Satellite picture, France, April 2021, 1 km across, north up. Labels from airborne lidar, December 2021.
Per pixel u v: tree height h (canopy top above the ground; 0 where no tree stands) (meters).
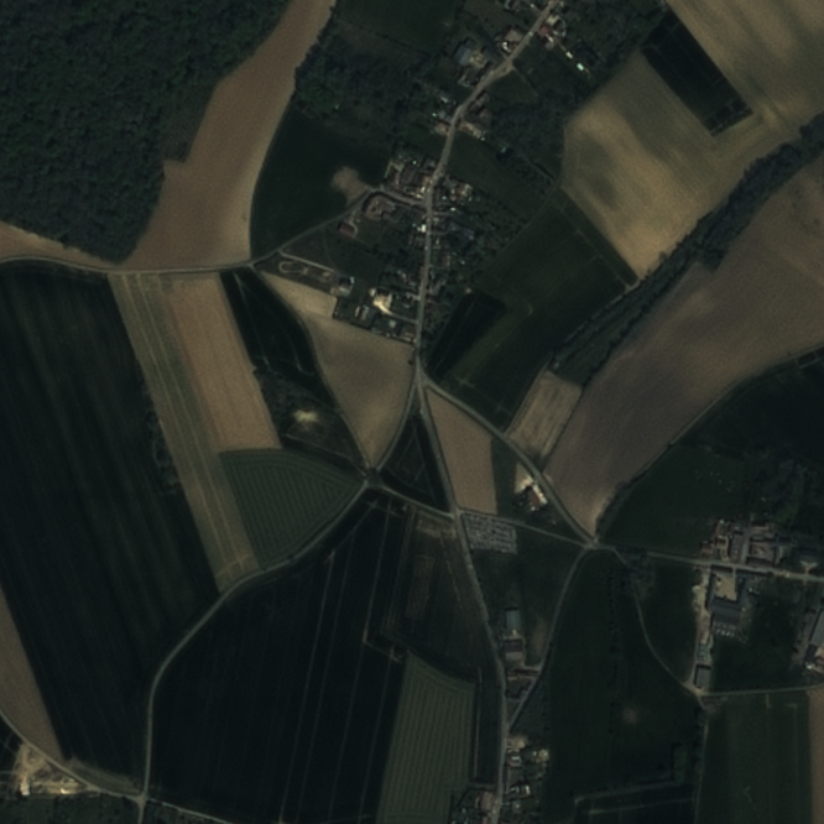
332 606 0
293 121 0
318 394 0
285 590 0
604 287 0
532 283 0
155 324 0
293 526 0
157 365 0
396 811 0
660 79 0
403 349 0
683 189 0
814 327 0
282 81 0
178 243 0
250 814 0
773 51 0
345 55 6
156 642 0
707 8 0
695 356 0
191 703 0
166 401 0
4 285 0
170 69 23
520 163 11
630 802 0
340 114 9
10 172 16
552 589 0
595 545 0
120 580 0
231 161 0
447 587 0
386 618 0
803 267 0
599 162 0
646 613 0
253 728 0
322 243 0
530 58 0
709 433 0
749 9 0
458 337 0
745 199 18
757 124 0
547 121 18
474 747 0
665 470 0
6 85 15
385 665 0
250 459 0
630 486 6
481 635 0
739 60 0
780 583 9
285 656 0
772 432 0
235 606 0
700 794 0
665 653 0
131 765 0
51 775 0
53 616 0
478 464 0
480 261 12
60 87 24
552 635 0
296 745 0
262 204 0
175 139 7
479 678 0
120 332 0
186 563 0
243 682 0
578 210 0
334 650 0
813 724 0
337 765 0
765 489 18
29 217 13
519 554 0
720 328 0
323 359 0
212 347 0
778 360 0
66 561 0
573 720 0
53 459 0
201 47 24
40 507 0
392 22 0
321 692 0
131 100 26
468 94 0
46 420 0
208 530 0
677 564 0
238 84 0
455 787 0
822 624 0
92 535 0
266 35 14
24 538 0
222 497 0
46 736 0
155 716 0
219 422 0
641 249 0
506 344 0
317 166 0
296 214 0
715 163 0
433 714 0
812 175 0
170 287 0
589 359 0
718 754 0
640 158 0
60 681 0
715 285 0
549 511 11
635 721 0
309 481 0
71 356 0
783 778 0
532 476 0
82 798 10
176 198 0
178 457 0
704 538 0
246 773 0
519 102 0
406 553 0
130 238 17
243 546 0
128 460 0
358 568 0
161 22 22
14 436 0
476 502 0
